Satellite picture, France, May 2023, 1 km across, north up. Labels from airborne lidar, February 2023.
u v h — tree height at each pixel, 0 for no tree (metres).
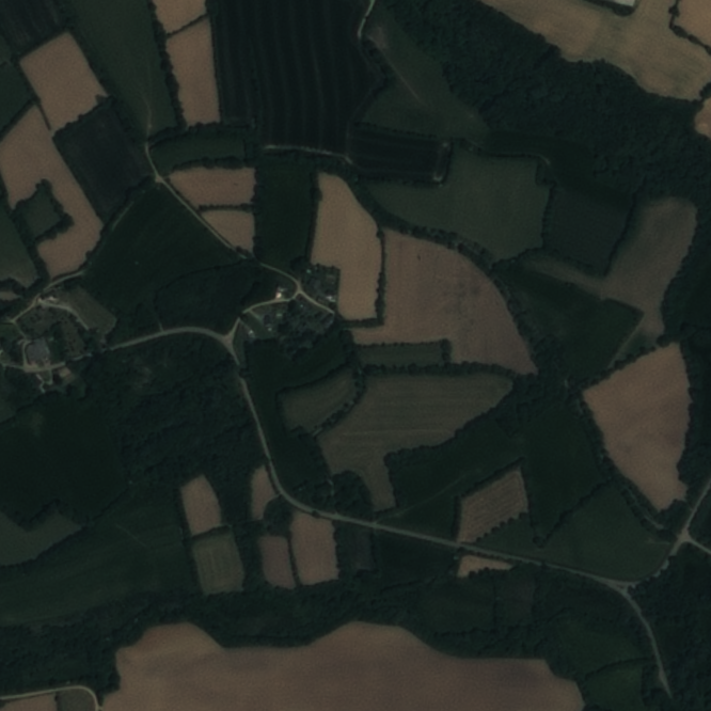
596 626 8
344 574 14
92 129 0
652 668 7
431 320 0
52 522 0
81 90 0
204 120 0
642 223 0
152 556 0
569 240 0
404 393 0
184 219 0
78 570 0
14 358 15
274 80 0
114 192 0
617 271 0
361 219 0
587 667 0
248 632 0
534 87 8
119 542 0
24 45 0
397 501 11
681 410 0
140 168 0
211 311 8
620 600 6
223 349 0
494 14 13
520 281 0
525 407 12
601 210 0
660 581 8
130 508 0
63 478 0
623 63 0
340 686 0
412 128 0
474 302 0
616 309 0
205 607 8
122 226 0
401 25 6
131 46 0
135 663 0
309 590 8
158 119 0
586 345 0
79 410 6
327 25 0
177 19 0
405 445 0
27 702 0
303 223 0
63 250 0
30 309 0
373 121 0
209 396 26
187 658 0
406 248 0
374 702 0
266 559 0
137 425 11
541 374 11
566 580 8
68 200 0
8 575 8
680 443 0
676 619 16
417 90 0
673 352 0
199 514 0
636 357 6
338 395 0
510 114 18
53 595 0
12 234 0
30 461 0
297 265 15
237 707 0
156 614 6
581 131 13
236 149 0
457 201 0
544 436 0
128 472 20
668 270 0
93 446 0
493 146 0
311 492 10
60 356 10
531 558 0
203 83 0
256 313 0
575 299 0
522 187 0
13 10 0
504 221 0
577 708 0
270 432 0
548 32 0
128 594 0
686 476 15
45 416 0
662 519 10
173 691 0
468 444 0
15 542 0
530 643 8
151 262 0
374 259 0
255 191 12
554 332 0
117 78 0
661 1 0
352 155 0
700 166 16
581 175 0
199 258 0
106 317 0
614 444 0
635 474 0
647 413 0
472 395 0
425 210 0
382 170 0
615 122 15
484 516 0
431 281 0
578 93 11
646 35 0
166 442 20
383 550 0
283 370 0
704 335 14
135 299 0
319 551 0
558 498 0
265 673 0
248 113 0
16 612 0
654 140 12
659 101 14
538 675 0
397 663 0
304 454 0
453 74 17
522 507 0
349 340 9
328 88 0
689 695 18
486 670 0
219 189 0
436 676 0
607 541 0
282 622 0
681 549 0
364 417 0
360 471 0
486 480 6
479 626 0
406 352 0
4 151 0
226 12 0
